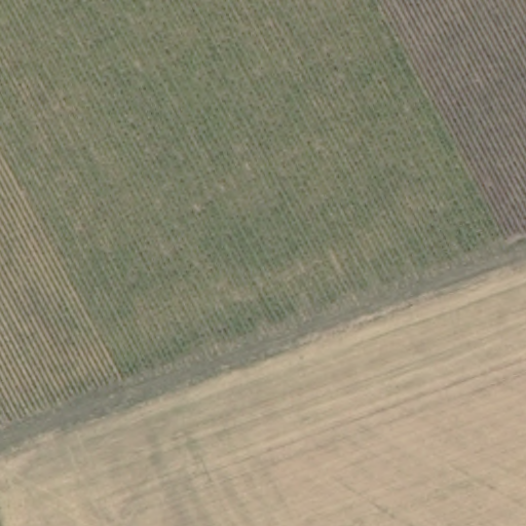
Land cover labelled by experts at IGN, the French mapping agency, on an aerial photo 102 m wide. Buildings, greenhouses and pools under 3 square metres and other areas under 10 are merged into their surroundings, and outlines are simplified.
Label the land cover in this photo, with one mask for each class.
<instances>
[{"label":"vineyard","instance_id":"1","mask_svg":"<svg viewBox=\"0 0 526 526\"><path fill-rule=\"evenodd\" d=\"M526 232V0H0V417L14 419L23 413H35L45 407H53L58 401L72 399L74 392H82L84 388H103L105 384H109L113 376L127 378L132 374H138L140 370L156 368L160 362H175L177 358L189 353L191 349L203 343L232 341L238 335L255 333L261 321L281 323L286 316L296 312L294 304L298 302L302 292L308 296L310 304L321 306L325 310L341 294L366 290L374 279L380 284H392V271L403 269L407 261H413L415 267L442 265L446 261L460 257L462 253H471L479 247H485L491 238Z\"/></svg>","mask_w":526,"mask_h":526},{"label":"agricultural land","instance_id":"2","mask_svg":"<svg viewBox=\"0 0 526 526\"><path fill-rule=\"evenodd\" d=\"M0 526H526V263L477 277L468 284H462V290L446 288L425 292L419 298L403 300L399 304L384 306L378 312L362 314L349 321L347 325H339L325 333H312L302 337L300 349L292 353L265 360L245 370L222 374L195 388L171 392L166 397L138 405L127 413L86 421L84 425L68 434L58 429L47 431L43 436L25 440L21 446H12L4 456H0Z\"/></svg>","mask_w":526,"mask_h":526},{"label":"herbaceous vegetation","instance_id":"3","mask_svg":"<svg viewBox=\"0 0 526 526\"><path fill-rule=\"evenodd\" d=\"M526 263V232L491 238L485 247H479L471 253H462L460 257L446 261L442 265L415 267L413 261H407L403 269L392 271V284H380L374 279L366 290L341 294L325 310L321 306L310 304L308 296L302 292L298 302L294 304L296 312L286 316L281 323L261 321L255 333L238 335L232 341L203 343L191 349L189 353L177 358L175 362H160L156 368L140 370L138 374H132L127 378L113 376L109 384H105L103 388H84L82 392H74L72 399L58 401L53 407H45L35 413H23L14 419L0 417V456H4L12 446H21L25 440L43 436L47 431L58 429L68 434L84 425L86 421L127 413L138 405L166 397L171 392L195 388L222 374L245 370L265 360L292 353L300 349L302 337L312 333H325L339 325H347L349 321L362 314L378 312L384 306L399 304L403 300L419 298L425 292L446 288L462 290V284H468L477 277Z\"/></svg>","mask_w":526,"mask_h":526}]
</instances>
